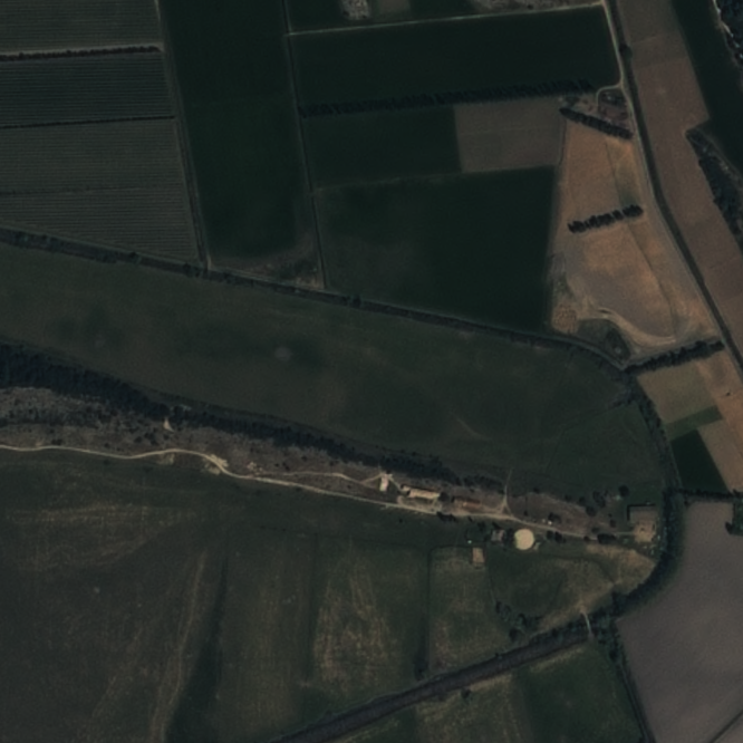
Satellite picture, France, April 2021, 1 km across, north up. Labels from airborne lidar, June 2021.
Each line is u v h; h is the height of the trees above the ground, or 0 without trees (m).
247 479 0
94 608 0
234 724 0
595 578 0
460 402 0
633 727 0
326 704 0
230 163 0
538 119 0
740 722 0
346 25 0
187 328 0
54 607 0
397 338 0
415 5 0
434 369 0
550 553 0
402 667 0
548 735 0
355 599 0
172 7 0
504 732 0
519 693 0
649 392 0
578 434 0
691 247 0
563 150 0
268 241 0
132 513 0
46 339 0
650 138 0
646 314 0
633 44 0
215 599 0
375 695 0
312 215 0
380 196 0
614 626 6
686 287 0
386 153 0
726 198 8
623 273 0
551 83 0
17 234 6
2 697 0
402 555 0
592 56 0
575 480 0
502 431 0
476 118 0
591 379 0
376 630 0
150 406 7
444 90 0
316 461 0
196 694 0
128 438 0
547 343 6
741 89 0
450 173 0
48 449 0
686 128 0
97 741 0
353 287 0
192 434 0
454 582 0
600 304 0
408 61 0
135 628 0
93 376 8
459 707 0
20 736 0
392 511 0
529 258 0
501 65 0
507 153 0
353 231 0
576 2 0
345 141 0
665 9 0
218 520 0
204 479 0
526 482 0
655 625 0
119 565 0
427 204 0
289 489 0
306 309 0
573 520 0
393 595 0
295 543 0
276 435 7
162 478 0
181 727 0
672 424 0
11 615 0
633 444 0
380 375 0
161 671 0
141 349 0
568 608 0
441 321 7
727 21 7
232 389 0
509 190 0
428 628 0
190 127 0
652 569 0
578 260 0
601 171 0
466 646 0
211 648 0
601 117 0
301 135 0
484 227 0
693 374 0
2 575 0
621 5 0
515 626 10
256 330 0
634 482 0
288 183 0
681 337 0
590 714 0
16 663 0
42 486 0
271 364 0
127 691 0
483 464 0
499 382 0
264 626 0
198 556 0
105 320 0
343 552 0
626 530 0
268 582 0
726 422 0
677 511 27
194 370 0
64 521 0
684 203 0
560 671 0
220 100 0
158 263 6
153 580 0
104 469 0
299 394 0
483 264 0
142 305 0
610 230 0
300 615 0
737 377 0
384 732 0
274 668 0
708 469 0
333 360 0
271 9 0
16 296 0
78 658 0
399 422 0
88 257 6
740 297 0
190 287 0
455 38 0
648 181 0
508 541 15
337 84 0
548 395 0
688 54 0
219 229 0
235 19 0
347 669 0
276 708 0
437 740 0
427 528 0
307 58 0
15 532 0
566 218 0
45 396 0
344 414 0
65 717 0
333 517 0
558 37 0
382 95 0
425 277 0
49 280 0
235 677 0
